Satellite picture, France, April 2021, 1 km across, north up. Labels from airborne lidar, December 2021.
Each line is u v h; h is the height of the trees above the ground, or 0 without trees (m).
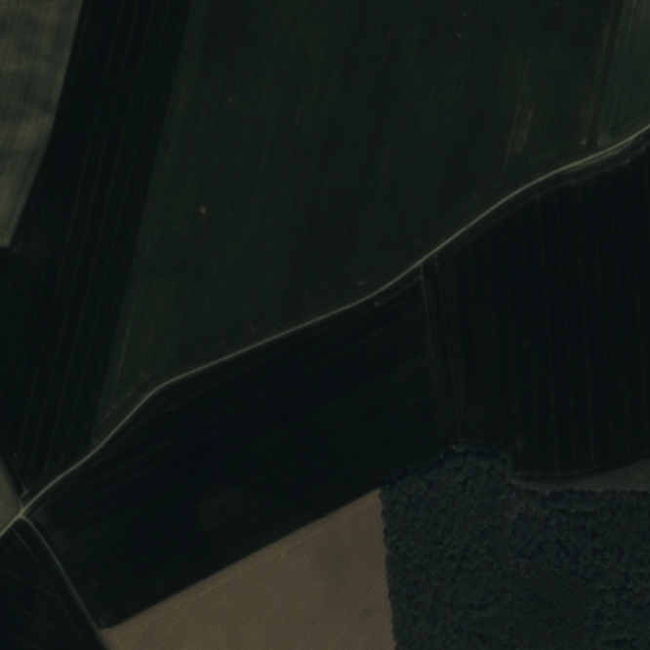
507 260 0
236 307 0
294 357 0
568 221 0
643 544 22
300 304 0
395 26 0
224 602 0
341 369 0
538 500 15
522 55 0
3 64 0
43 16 0
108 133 0
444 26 0
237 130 0
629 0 0
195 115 0
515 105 0
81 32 0
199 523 0
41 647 0
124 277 0
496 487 10
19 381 0
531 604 21
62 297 0
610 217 0
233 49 0
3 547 0
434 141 0
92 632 0
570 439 0
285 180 0
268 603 0
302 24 0
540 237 0
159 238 0
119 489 0
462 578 22
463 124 0
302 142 0
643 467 0
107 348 0
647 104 0
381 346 0
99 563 0
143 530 0
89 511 0
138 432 0
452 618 19
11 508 0
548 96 0
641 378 0
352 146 0
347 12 0
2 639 0
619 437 0
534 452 0
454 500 19
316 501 0
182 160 0
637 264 0
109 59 0
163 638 0
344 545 0
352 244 0
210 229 0
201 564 0
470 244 0
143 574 0
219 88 0
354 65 0
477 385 0
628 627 20
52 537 0
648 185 0
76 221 0
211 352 0
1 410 0
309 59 0
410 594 8
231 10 0
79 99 0
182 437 0
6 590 0
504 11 0
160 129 0
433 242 0
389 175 0
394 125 0
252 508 0
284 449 0
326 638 0
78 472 0
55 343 0
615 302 0
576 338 0
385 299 0
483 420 0
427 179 0
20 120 0
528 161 0
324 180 0
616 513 19
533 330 0
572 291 0
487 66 0
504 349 0
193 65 0
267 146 0
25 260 0
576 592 21
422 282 0
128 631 0
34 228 0
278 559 0
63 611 0
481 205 0
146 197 0
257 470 0
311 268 0
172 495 0
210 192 0
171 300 0
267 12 0
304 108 0
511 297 0
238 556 0
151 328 0
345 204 0
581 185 0
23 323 0
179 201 0
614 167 0
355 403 0
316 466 0
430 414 0
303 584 0
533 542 19
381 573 0
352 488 0
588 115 0
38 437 0
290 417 0
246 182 0
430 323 0
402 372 0
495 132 0
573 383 0
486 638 18
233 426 0
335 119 0
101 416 0
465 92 0
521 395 0
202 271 0
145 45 0
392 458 0
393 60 0
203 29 0
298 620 0
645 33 0
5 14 0
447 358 0
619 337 0
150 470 0
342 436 0
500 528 20
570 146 0
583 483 0
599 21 0
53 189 0
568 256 0
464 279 0
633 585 18
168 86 0
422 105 0
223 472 0
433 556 19
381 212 0
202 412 0
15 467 0
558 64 0
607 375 0
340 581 0
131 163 0
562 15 0
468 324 0
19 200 0
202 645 0
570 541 24
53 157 0
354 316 0
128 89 0
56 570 0
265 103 0
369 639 0
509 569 19
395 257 0
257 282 0
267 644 0
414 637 19
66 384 0
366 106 0
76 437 0
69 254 0
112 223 0
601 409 0
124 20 0
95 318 0
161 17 0
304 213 0
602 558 17
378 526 0
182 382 0
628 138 0
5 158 0
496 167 0
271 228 0
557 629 21
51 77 0
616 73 0
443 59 0
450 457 15
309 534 0
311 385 0
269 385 0
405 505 12
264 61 0
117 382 0
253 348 0
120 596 0
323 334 0
